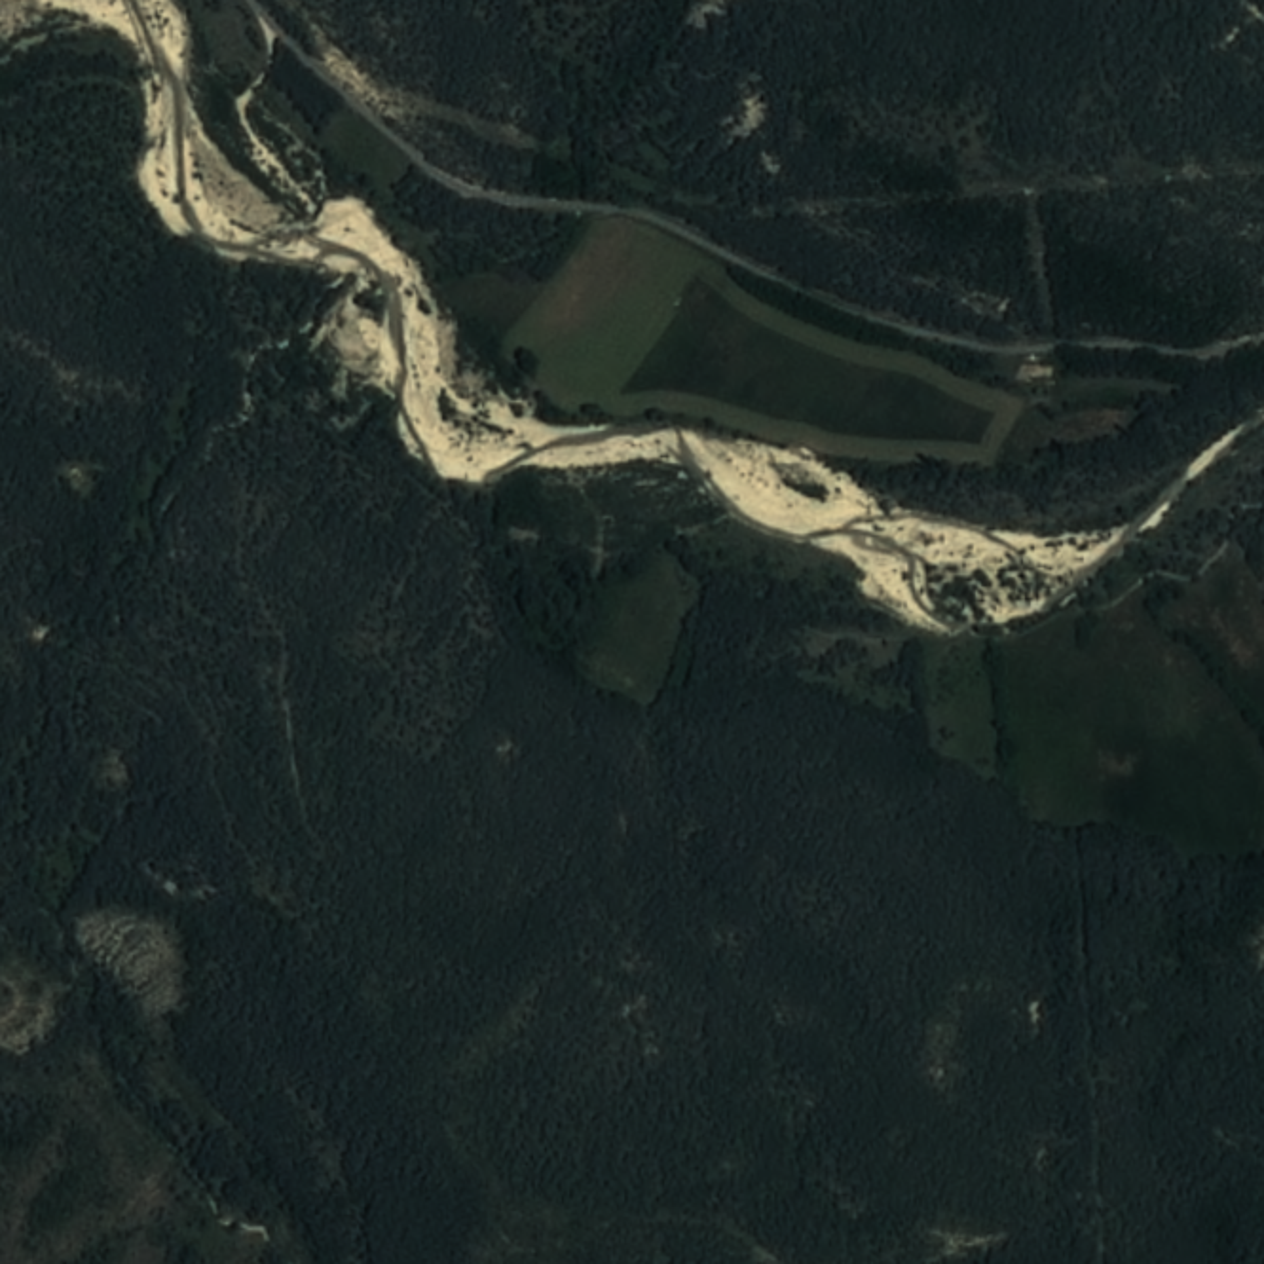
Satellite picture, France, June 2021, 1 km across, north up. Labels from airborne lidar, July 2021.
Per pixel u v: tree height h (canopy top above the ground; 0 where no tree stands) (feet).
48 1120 20
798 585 43
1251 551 36
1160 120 27
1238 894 25
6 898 47
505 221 38
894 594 0
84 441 37
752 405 0
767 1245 18
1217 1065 43
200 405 43
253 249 0
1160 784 0
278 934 31
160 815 37
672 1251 26
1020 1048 22
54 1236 0
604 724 28
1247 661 0
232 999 28
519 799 27
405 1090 24
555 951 21
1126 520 31
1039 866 48
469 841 22
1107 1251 18
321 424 18
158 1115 42
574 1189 24
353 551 26
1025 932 32
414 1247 38
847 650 26
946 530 0
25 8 0
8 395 38
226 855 24
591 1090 24
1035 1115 23
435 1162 20
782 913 22
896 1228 22
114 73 28
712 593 44
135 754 26
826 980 20
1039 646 0
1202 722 0
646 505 0
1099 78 28
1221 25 24
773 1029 21
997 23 37
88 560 38
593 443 0
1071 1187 19
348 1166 37
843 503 0
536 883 24
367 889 28
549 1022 34
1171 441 26
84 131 28
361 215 0
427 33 20
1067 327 37
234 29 0
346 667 26
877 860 25
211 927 20
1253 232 19
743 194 39
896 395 0
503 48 30
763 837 30
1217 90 25
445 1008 27
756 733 30
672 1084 23
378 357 0
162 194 0
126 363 44
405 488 39
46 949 53
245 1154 34
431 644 27
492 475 0
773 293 59
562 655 37
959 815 34
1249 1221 42
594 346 0
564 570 57
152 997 0
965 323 34
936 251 37
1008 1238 23
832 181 28
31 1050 37
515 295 0
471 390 0
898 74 19
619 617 0
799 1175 25
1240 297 20
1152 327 33
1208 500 0
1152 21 33
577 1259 21
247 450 36
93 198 48
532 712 33
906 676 31
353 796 32
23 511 42
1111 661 0
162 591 22
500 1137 26
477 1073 18
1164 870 52
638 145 45
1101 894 45
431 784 32
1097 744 0
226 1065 40
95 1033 38
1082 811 0
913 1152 28
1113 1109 19
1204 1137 30
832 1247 22
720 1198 25
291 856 40
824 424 0
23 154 25
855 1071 18
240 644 21
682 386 0
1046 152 26
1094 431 0
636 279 0
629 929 24
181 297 47
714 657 32
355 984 23
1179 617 0
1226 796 0
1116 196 21
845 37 21
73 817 43
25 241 32
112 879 28
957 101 24
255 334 27
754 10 28
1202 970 32
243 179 0
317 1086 31
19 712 55
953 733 18
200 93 0
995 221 25
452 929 34
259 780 35
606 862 26
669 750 31
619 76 27
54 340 27
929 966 20
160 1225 31
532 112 23
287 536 27
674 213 46
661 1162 22
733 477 0
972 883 26
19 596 37
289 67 45
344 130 0
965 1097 19
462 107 24
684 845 34
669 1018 19
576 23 35
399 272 0
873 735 48
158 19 0
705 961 21
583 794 30
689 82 32
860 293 30
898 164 29
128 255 60
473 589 23
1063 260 35
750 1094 24
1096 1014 27
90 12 0
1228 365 41
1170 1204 27
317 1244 32
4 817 51
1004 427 0
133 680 29
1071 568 0
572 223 18
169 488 45
